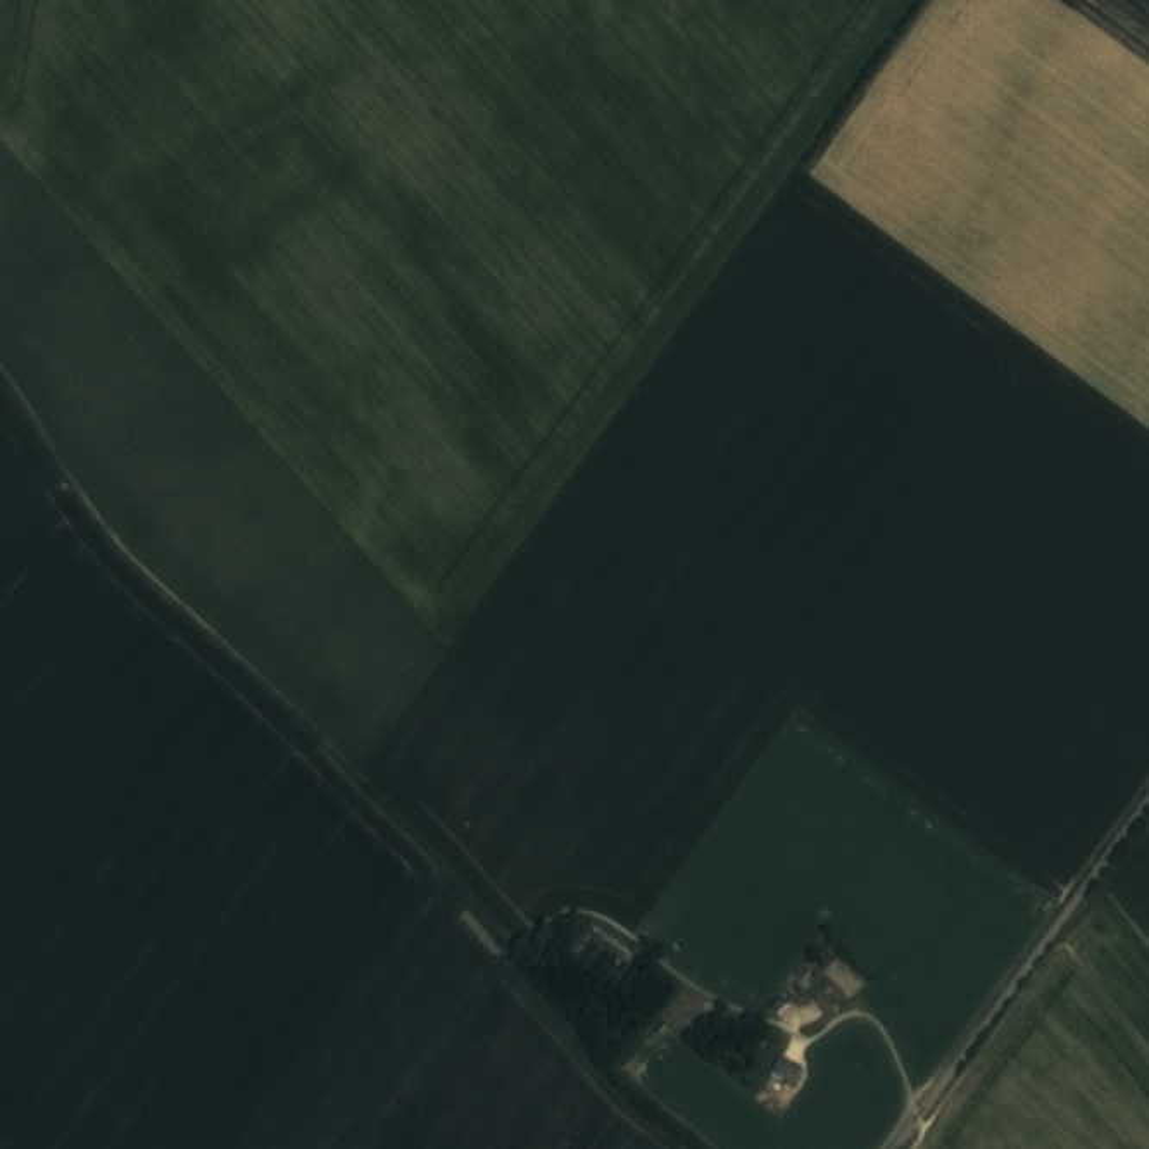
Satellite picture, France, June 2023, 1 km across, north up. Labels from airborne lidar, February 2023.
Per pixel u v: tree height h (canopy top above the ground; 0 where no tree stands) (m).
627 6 0
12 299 0
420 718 0
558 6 0
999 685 0
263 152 0
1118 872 0
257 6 0
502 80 0
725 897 0
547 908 0
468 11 0
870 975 5
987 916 0
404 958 0
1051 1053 0
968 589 0
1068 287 0
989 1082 0
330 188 0
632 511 0
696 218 0
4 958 0
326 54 0
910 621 0
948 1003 0
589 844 0
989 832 0
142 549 0
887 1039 0
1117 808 0
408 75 0
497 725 0
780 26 0
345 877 0
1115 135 0
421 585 0
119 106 0
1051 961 0
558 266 0
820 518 0
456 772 0
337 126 0
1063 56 0
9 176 0
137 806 0
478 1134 0
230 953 0
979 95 0
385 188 0
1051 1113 0
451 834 0
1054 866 0
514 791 0
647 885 0
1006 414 0
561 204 0
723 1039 10
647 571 0
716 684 0
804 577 0
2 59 0
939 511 0
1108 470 0
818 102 0
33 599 0
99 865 0
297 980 0
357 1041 0
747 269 0
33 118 0
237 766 0
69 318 0
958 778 0
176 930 0
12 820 0
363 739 0
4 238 0
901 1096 0
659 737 0
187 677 0
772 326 0
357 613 0
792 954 0
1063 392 0
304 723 0
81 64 0
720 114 0
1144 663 0
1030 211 0
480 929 0
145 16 0
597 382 0
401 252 0
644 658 0
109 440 0
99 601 0
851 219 0
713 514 0
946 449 0
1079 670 0
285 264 0
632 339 0
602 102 0
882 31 0
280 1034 0
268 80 0
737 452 0
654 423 0
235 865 0
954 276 0
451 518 0
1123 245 0
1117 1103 0
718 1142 0
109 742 0
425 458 0
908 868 0
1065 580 0
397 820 0
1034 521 0
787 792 0
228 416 0
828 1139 0
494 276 0
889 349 0
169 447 0
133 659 0
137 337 0
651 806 0
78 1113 0
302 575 0
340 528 0
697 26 0
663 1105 0
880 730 0
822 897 0
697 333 0
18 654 0
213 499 0
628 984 12
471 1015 0
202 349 0
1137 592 0
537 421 0
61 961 0
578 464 0
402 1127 0
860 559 0
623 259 0
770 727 0
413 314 0
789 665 0
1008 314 0
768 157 0
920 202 0
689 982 0
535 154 0
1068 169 0
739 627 0
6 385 0
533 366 0
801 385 0
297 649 0
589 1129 0
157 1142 0
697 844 0
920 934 0
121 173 0
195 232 0
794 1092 0
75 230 0
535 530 0
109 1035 0
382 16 0
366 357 0
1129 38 0
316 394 0
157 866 0
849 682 0
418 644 0
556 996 9
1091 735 0
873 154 0
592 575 0
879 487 0
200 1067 0
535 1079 0
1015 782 0
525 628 0
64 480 0
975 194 0
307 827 0
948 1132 0
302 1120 0
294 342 0
